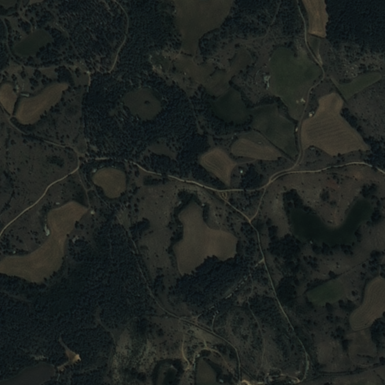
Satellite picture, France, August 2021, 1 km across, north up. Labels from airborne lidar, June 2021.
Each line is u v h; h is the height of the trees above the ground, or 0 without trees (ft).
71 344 39
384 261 0
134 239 38
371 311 0
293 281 25
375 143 40
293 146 0
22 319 42
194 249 0
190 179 0
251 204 24
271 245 33
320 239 0
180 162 34
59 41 53
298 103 0
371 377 0
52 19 26
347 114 43
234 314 0
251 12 33
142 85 33
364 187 31
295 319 0
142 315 32
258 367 0
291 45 38
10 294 26
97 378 28
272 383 20
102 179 0
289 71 0
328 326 0
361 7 51
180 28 0
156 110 0
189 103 42
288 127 0
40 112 0
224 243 0
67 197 0
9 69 0
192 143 62
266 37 0
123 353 0
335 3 65
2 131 0
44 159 0
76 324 25
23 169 0
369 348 0
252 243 39
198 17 0
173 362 18
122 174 0
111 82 40
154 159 55
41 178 0
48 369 0
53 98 0
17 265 0
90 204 0
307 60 0
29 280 0
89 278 27
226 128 35
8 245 43
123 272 34
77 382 39
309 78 0
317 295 0
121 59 38
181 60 0
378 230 0
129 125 58
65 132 0
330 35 46
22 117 0
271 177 0
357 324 0
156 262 0
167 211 0
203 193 0
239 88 18
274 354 0
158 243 0
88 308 25
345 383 0
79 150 0
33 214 0
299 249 53
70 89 31
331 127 0
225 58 0
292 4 30
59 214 0
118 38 39
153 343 0
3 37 30
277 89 0
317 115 0
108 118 67
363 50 32
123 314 29
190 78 22
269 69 0
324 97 0
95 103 55
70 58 29
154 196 0
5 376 46
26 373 0
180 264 0
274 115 0
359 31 44
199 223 0
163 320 0
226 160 0
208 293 22
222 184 32
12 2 0
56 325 20
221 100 0
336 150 0
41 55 30
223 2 0
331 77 0
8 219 0
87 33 40
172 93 51
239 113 0
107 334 25
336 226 0
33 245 0
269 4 34
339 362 0
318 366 22
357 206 0
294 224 0
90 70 37
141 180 0
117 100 51
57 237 0
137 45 38
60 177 0
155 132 58
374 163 49
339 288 0
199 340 0
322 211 0
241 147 0
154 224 0
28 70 0
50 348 29
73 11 64
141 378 41
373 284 0
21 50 0
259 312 22
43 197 0
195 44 0
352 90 0
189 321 0
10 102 0
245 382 0
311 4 0
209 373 0
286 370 0
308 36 0
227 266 31
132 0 37
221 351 24
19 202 0
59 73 35
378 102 0
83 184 0
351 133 0
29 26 48
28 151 0
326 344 0
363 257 0
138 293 42
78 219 0
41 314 24
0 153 0
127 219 0
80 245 31
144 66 31
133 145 54
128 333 0
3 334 31
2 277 47
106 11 42
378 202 22
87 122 51
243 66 0
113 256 30
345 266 0
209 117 54
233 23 31
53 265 0
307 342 20
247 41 0
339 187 0
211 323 24
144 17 38
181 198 39
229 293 0
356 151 0
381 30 54
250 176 53
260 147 0
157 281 46
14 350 53
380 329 41
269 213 0
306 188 0
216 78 0
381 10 46
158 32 53
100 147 39
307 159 0
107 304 30
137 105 0
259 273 28
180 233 20
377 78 0
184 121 30
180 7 0
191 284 51
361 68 23
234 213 26
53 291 21
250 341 0
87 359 35
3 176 0
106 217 18
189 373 0
